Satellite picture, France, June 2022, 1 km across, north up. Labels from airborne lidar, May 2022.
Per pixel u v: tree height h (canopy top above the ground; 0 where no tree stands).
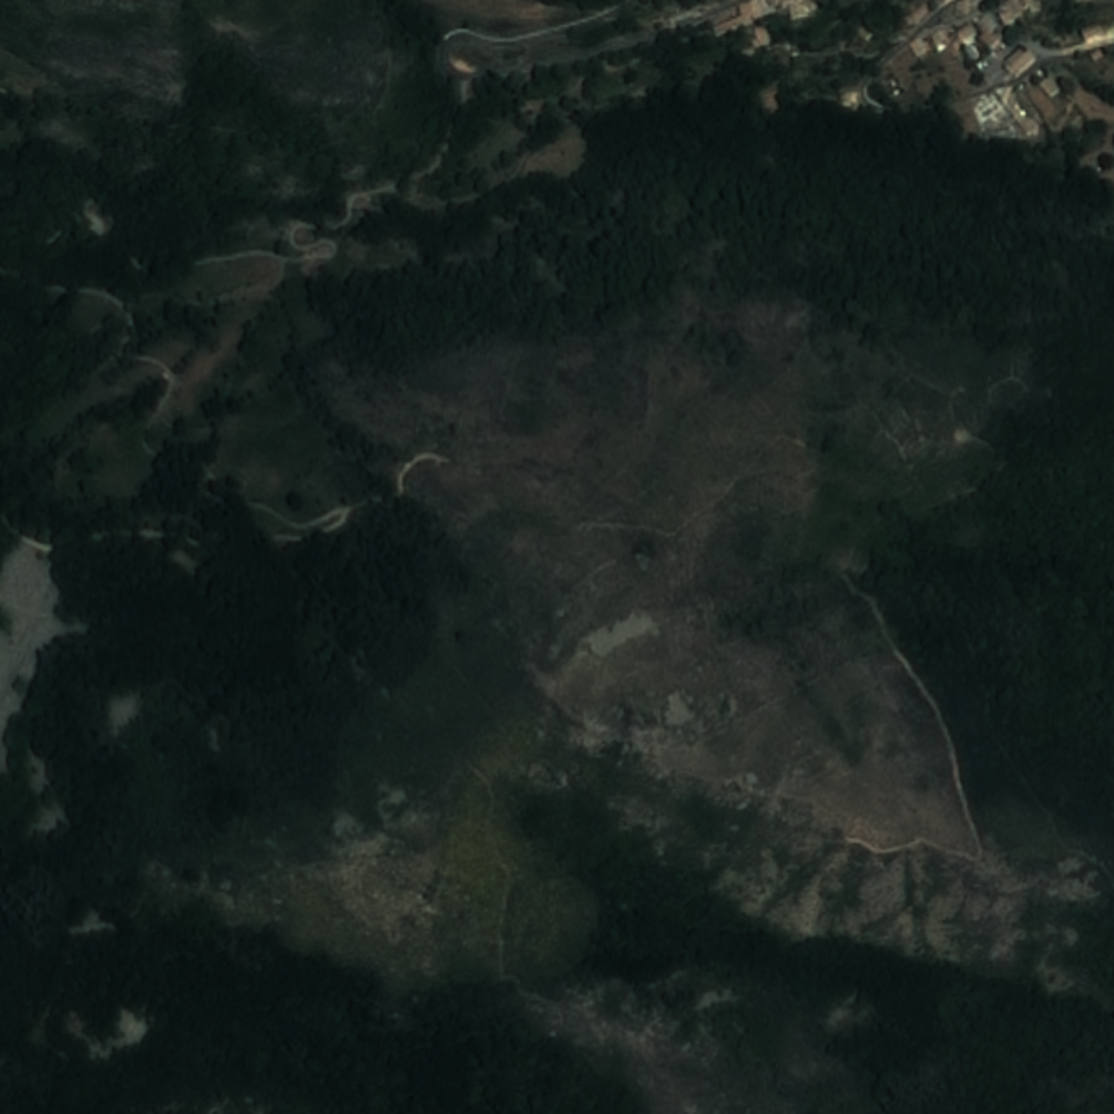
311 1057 19
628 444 0
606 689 0
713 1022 8
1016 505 15
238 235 7
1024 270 10
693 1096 0
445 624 0
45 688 13
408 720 0
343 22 0
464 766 0
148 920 6
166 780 7
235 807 14
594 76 9
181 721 6
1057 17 6
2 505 13
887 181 15
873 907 0
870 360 0
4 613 8
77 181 20
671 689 0
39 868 13
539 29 0
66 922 7
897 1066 10
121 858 8
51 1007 9
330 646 7
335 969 8
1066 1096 12
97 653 11
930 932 0
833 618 0
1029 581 14
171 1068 17
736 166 11
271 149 11
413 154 10
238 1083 18
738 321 0
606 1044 0
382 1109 14
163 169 6
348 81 0
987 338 6
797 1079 0
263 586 16
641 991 6
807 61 9
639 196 11
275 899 0
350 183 10
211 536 17
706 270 0
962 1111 17
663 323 0
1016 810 0
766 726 0
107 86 0
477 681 0
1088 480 12
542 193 12
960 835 0
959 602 6
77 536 12
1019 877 0
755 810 0
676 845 0
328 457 0
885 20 12
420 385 0
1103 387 11
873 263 11
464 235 21
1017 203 15
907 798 0
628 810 0
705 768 0
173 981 13
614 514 0
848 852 0
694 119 20
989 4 15
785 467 0
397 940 0
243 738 9
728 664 0
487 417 0
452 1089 17
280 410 0
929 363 0
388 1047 6
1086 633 11
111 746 7
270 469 0
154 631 17
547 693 0
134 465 0
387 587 11
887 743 0
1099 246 16
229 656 18
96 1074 17
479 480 0
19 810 13
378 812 0
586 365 0
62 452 18
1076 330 12
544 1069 11
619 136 22
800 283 9
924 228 9
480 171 11
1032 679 14
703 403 0
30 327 26
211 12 0
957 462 0
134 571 11
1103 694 17
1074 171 17
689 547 0
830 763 0
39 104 9
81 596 11
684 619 0
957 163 27
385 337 10
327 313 8
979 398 0
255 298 0
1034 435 10
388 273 9
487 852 0
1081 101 0
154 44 0
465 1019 12
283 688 8
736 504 0
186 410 0
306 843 0
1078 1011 24
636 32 10
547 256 11
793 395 0
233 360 0
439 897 0
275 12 0
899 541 7
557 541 0
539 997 0
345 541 11
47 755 14
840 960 18
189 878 9
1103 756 6
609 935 10
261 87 8
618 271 14
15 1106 10
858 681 0
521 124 11
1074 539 18
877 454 0
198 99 14
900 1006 13
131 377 0
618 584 0
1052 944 0
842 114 15
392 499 8
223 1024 14
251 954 7
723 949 21
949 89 10
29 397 15
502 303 7
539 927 0
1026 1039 15
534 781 0
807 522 0
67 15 0
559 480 0
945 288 9
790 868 0
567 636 0
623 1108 13
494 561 0
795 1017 0
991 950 0
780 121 20
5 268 10
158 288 9
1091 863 0
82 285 10
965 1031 10
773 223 13
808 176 10
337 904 0
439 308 9
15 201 13
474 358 0
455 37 0
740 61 15
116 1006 16
